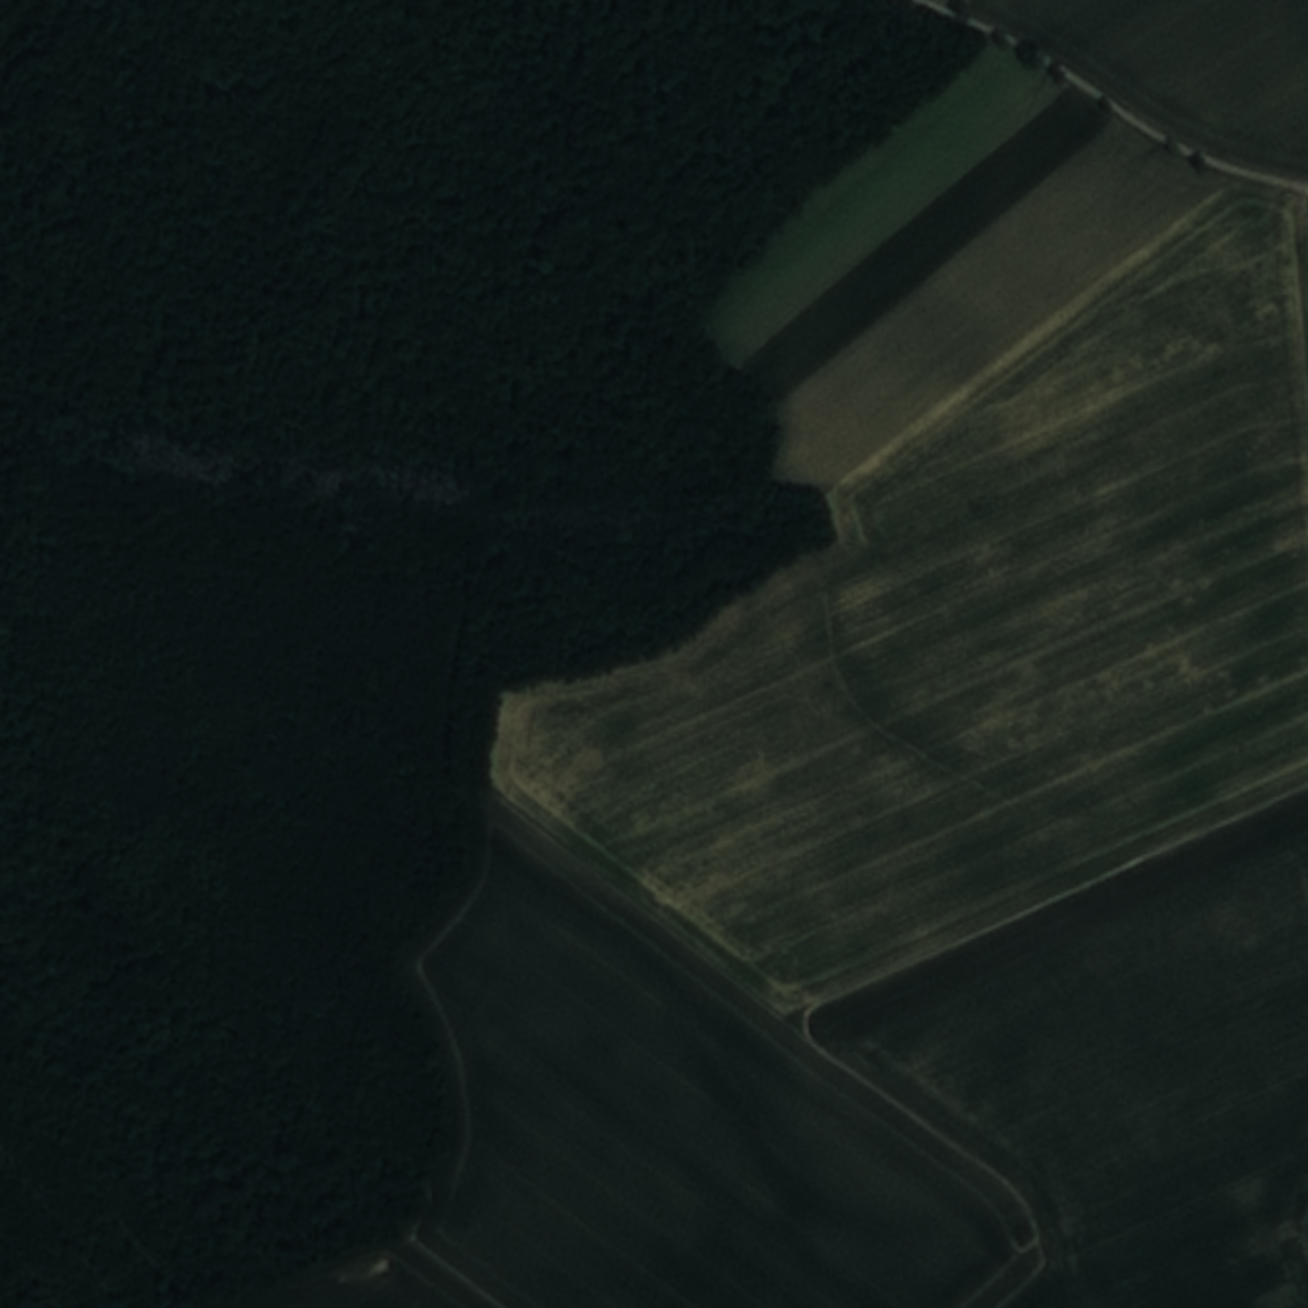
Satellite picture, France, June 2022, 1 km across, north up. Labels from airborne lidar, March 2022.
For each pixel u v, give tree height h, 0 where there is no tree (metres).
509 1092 0
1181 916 0
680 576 22
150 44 20
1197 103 0
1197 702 0
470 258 20
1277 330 0
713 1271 0
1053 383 0
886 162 0
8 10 18
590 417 17
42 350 17
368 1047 0
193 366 20
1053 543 0
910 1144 0
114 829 16
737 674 0
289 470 31
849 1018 0
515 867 0
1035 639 0
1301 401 0
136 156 23
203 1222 18
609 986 0
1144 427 0
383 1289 0
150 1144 19
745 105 18
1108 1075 0
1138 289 0
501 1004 0
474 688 22
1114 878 0
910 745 0
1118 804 0
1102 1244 0
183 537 18
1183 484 0
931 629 0
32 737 15
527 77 18
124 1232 0
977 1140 0
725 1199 0
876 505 0
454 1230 0
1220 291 0
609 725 0
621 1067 0
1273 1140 0
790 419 0
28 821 20
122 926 19
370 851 0
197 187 0
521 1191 0
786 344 0
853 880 0
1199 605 0
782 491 14
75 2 11
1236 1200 0
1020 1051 0
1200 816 0
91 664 15
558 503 21
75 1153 15
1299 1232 0
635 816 0
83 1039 18
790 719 0
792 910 0
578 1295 0
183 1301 25
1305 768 0
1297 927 0
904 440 0
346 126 0
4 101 22
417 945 0
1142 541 0
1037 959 0
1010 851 0
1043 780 0
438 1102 13
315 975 0
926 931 0
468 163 17
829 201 0
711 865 0
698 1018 0
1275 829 0
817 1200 0
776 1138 0
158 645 0
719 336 0
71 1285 13
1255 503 0
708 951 0
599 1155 0
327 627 0
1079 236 0
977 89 0
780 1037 0
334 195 16
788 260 0
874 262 0
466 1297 0
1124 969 0
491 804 0
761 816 0
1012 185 0
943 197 0
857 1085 0
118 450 27
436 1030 0
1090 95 0
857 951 0
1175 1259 0
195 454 30
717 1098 0
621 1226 0
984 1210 0
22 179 17
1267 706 0
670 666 0
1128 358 0
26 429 15
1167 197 0
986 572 0
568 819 0
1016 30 0
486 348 18
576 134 23
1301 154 0
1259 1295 0
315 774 0
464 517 25
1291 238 0
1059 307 0
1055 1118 0
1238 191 0
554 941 0
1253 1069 0
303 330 16
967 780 0
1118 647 0
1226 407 0
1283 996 0
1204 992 0
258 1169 20
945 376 0
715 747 0
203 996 12
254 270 17
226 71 22
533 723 0
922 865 0
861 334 0
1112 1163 0
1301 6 0
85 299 13
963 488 0
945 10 0
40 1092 15
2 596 17
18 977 18
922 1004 0
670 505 22
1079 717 0
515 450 22
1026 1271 0
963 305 0
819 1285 0
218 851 0
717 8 20
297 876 0
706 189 21
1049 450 0
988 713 0
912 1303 0
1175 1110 0
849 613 0
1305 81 0
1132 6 0
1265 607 0
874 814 0
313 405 18
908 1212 0
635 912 0
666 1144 0
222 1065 18
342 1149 20
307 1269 16
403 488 17
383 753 0
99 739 14
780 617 0
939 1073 0
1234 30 0
